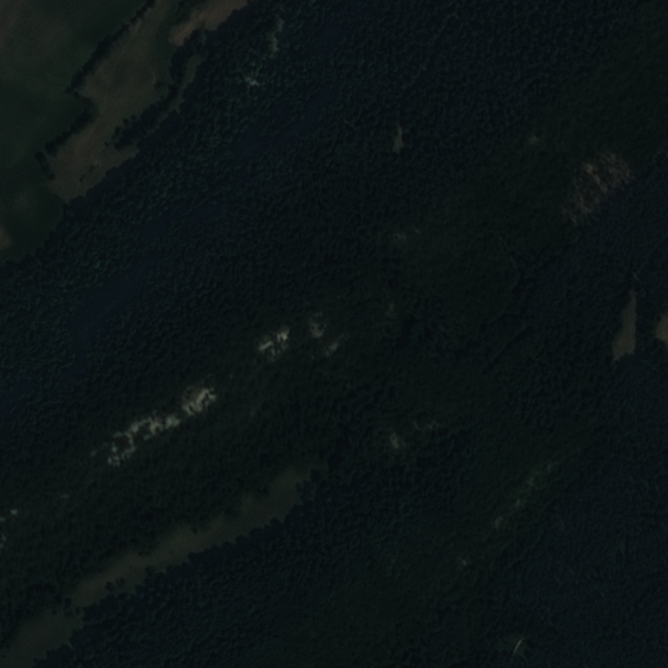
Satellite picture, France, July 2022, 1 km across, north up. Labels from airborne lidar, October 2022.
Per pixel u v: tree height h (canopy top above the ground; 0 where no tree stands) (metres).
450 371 19
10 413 22
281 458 17
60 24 0
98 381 20
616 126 26
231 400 15
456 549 7
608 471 29
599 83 9
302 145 19
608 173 28
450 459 28
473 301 19
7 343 23
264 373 10
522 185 9
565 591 20
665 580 25
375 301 14
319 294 13
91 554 27
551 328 17
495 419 20
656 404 23
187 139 17
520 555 24
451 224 14
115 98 0
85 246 15
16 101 0
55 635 0
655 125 27
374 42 30
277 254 19
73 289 16
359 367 24
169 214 26
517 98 32
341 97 16
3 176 0
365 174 13
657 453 16
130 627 37
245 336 13
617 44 15
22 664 0
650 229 0
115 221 24
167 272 18
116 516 27
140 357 21
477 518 10
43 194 0
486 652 28
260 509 0
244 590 27
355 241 25
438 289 20
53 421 24
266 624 25
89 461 9
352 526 29
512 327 25
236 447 18
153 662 21
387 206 16
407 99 22
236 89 12
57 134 0
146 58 0
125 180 20
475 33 20
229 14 0
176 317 24
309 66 23
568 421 17
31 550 18
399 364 27
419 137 29
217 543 0
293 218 26
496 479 13
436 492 27
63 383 24
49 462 18
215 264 24
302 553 29
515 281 16
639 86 22
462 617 30
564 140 12
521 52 37
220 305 14
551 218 28
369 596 17
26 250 0
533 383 20
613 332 9
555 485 25
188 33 0
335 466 31
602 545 26
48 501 9
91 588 0
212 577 33
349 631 21
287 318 9
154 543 10
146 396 15
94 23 0
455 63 18
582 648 23
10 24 0
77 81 15
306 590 29
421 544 14
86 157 0
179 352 12
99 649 34
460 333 7
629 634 26
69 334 21
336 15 20
